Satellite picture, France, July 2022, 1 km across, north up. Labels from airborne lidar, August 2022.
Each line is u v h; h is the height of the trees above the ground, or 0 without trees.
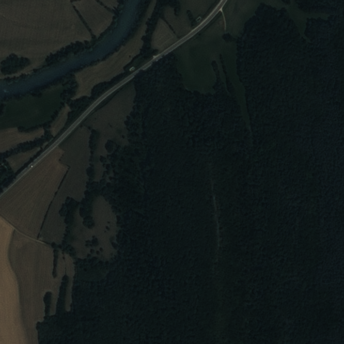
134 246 17
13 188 0
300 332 11
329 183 19
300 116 19
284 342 10
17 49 0
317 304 22
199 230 20
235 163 23
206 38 0
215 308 15
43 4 0
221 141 29
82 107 8
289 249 13
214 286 12
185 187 18
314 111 18
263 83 14
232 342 26
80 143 0
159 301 21
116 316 20
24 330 0
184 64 0
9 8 0
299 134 17
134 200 10
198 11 0
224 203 19
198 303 20
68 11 0
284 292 13
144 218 20
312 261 13
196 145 29
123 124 0
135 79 6
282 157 11
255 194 23
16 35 0
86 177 0
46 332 8
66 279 12
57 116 10
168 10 0
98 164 0
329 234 21
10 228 0
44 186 0
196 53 0
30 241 0
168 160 19
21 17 0
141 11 7
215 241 9
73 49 12
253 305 24
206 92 0
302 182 8
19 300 0
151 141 19
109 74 0
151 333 22
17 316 0
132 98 0
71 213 15
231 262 26
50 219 0
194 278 21
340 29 18
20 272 0
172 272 23
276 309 13
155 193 27
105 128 0
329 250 20
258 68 18
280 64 18
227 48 0
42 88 18
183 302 22
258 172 25
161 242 28
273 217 22
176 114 28
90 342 18
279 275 13
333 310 24
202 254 21
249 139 28
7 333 0
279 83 6
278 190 15
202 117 23
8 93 0
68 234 6
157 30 0
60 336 11
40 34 0
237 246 25
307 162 19
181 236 16
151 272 20
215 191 7
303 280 11
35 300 0
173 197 17
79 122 0
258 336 21
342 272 19
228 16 0
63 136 0
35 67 0
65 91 16
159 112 13
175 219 14
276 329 17
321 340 27
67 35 0
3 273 0
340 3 19
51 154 0
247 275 30
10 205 0
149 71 10
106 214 0
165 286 20
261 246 27
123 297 17
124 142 0
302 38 16
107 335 14
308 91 19
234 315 30
